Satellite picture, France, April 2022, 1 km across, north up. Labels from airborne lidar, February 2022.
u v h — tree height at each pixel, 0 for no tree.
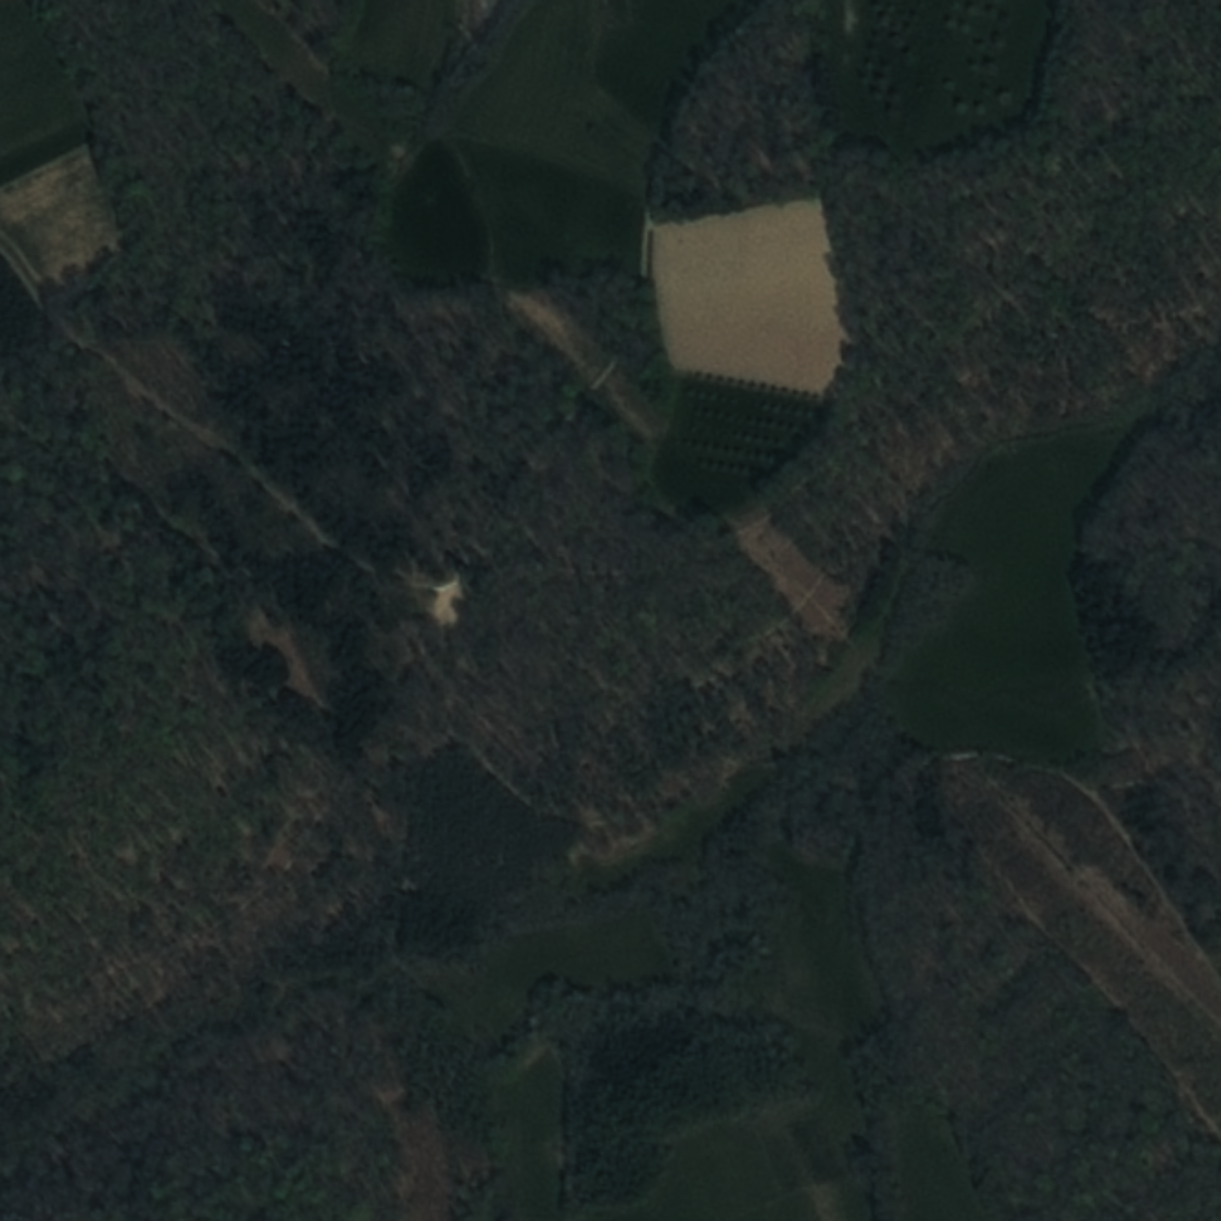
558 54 0
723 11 0
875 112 0
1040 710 0
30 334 21
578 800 30
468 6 0
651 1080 24
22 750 23
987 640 0
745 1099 24
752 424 0
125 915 27
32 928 28
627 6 0
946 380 31
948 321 24
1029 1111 29
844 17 0
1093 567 22
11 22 0
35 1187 34
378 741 16
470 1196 26
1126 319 11
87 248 0
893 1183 27
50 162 0
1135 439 0
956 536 0
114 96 30
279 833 27
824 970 0
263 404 30
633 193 0
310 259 30
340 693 21
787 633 0
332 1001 26
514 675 0
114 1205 31
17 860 23
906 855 28
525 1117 0
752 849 22
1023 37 0
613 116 0
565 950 0
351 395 30
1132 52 30
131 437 0
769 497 24
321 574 30
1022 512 0
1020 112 0
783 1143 0
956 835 25
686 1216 0
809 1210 0
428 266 0
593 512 34
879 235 28
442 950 15
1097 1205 33
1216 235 29
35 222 0
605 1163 23
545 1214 0
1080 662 0
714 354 0
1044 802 8
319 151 28
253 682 31
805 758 19
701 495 0
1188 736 0
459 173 0
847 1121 0
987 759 11
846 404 24
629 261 0
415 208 0
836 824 31
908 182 29
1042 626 0
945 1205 0
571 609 29
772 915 21
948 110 0
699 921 23
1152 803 14
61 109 0
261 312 29
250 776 26
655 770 25
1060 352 26
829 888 0
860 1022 0
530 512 32
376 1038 23
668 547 28
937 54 0
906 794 28
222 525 28
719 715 30
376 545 23
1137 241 25
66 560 34
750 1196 0
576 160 0
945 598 19
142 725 26
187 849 14
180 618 27
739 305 0
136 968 26
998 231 28
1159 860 12
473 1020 0
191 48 29
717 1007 24
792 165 31
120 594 28
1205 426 27
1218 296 28
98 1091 26
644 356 31
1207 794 31
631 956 0
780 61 30
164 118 32
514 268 0
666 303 0
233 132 27
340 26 30
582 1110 17
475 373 26
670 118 0
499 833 16
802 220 0
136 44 27
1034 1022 26
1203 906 29
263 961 25
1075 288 8
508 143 0
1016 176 26
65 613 30
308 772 29
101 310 24
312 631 17
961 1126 23
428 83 0
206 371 19
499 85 0
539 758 26
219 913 20
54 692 26
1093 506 0
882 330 27
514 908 18
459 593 0
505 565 27
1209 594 28
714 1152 0
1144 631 24
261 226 28
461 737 24
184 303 29
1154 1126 33
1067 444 0
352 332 30
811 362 0
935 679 0
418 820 15
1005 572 0
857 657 0
